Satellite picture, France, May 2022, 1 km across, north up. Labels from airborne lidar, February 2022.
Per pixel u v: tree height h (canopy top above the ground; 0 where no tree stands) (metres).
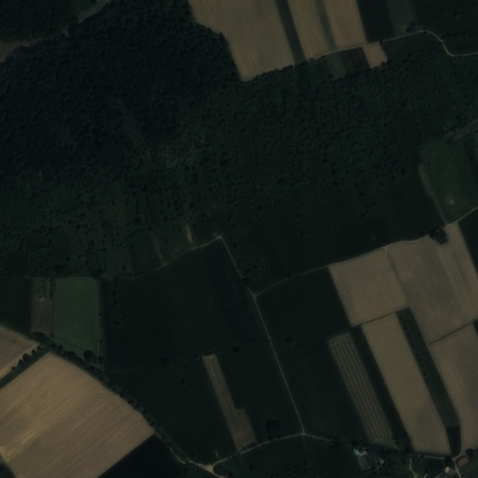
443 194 0
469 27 0
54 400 0
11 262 0
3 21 23
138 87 29
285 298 0
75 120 32
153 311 0
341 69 0
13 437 0
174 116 19
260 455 0
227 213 0
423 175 0
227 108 9
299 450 0
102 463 0
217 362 0
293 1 0
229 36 0
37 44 0
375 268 0
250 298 0
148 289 0
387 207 0
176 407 0
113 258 0
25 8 29
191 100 17
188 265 0
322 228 0
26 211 17
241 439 0
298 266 0
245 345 0
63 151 28
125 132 20
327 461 0
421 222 0
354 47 0
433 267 0
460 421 0
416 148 0
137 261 0
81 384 0
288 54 0
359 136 9
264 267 6
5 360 0
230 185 8
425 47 0
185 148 8
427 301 0
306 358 0
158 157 16
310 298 0
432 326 0
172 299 0
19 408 0
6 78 24
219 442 0
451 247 0
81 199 14
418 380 0
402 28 0
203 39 24
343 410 0
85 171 20
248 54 0
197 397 0
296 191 0
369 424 0
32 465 0
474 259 0
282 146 0
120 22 26
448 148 0
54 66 31
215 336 0
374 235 0
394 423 0
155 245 0
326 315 0
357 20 0
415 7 0
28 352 0
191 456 9
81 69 30
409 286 0
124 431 0
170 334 0
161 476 0
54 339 0
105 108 27
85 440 0
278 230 0
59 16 30
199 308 0
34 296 0
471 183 0
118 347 0
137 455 0
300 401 0
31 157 25
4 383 0
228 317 0
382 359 0
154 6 11
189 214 0
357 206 0
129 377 0
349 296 0
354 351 0
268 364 0
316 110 14
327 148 12
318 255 0
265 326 0
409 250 0
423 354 0
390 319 0
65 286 0
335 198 0
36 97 27
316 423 0
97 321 0
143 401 0
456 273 0
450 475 0
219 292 0
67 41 23
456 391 0
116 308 9
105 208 8
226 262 0
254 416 0
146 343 0
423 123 0
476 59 9
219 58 22
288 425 0
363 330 0
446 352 0
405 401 0
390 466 7
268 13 0
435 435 0
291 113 12
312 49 0
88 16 0
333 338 0
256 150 7
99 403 0
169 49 27
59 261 0
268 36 0
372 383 0
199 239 0
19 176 19
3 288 0
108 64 27
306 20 0
